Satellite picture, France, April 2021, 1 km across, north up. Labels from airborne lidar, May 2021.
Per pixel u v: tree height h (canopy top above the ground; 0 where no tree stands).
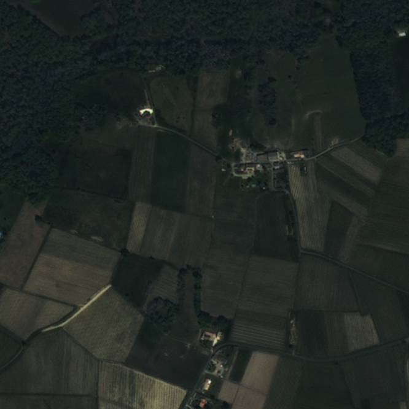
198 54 19
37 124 26
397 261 0
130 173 0
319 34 17
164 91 0
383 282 0
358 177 0
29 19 18
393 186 0
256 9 18
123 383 0
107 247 0
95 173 0
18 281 0
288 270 0
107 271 0
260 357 0
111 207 0
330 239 0
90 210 0
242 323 0
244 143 0
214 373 0
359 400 0
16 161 25
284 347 0
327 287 0
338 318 0
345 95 0
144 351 0
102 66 20
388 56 13
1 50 25
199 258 0
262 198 0
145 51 20
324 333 0
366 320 0
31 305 0
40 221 15
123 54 7
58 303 0
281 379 0
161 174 0
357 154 0
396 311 0
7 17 20
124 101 0
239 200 0
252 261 0
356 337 0
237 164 0
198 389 0
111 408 0
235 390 0
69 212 0
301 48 20
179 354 0
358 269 0
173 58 25
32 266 0
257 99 0
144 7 14
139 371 0
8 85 25
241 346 0
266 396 0
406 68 0
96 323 0
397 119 19
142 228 0
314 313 0
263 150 0
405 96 0
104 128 0
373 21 25
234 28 16
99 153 0
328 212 0
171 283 0
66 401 0
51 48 22
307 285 0
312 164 0
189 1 15
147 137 0
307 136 0
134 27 18
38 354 0
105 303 0
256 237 0
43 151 11
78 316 0
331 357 0
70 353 0
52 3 0
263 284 0
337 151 0
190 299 0
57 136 24
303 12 26
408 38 0
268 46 21
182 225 0
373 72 14
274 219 0
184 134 0
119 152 0
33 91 22
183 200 0
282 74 0
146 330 0
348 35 22
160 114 0
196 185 0
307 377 0
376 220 0
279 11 15
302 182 0
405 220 0
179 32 22
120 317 0
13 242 0
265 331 0
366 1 23
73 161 0
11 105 16
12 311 0
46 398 0
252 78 20
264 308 0
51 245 0
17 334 0
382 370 0
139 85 0
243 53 21
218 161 14
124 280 0
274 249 0
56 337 0
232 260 0
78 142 0
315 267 0
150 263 0
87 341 0
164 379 0
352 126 0
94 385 0
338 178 0
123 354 0
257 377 0
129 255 14
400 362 0
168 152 0
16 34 19
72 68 33
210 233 0
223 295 0
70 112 18
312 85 0
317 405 0
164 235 0
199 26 16
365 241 0
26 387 0
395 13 26
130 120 0
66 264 0
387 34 20
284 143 0
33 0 13
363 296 0
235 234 0
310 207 0
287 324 0
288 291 0
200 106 0
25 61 18
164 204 0
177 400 0
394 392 0
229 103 0
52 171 18
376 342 0
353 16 24
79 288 0
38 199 17
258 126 0
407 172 0
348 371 0
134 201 0
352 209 0
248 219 0
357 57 16
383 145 19
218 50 17
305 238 0
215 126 0
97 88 0
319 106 0
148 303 0
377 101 15
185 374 0
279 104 0
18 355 0
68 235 0
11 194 0
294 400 0
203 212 0
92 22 19
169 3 14
